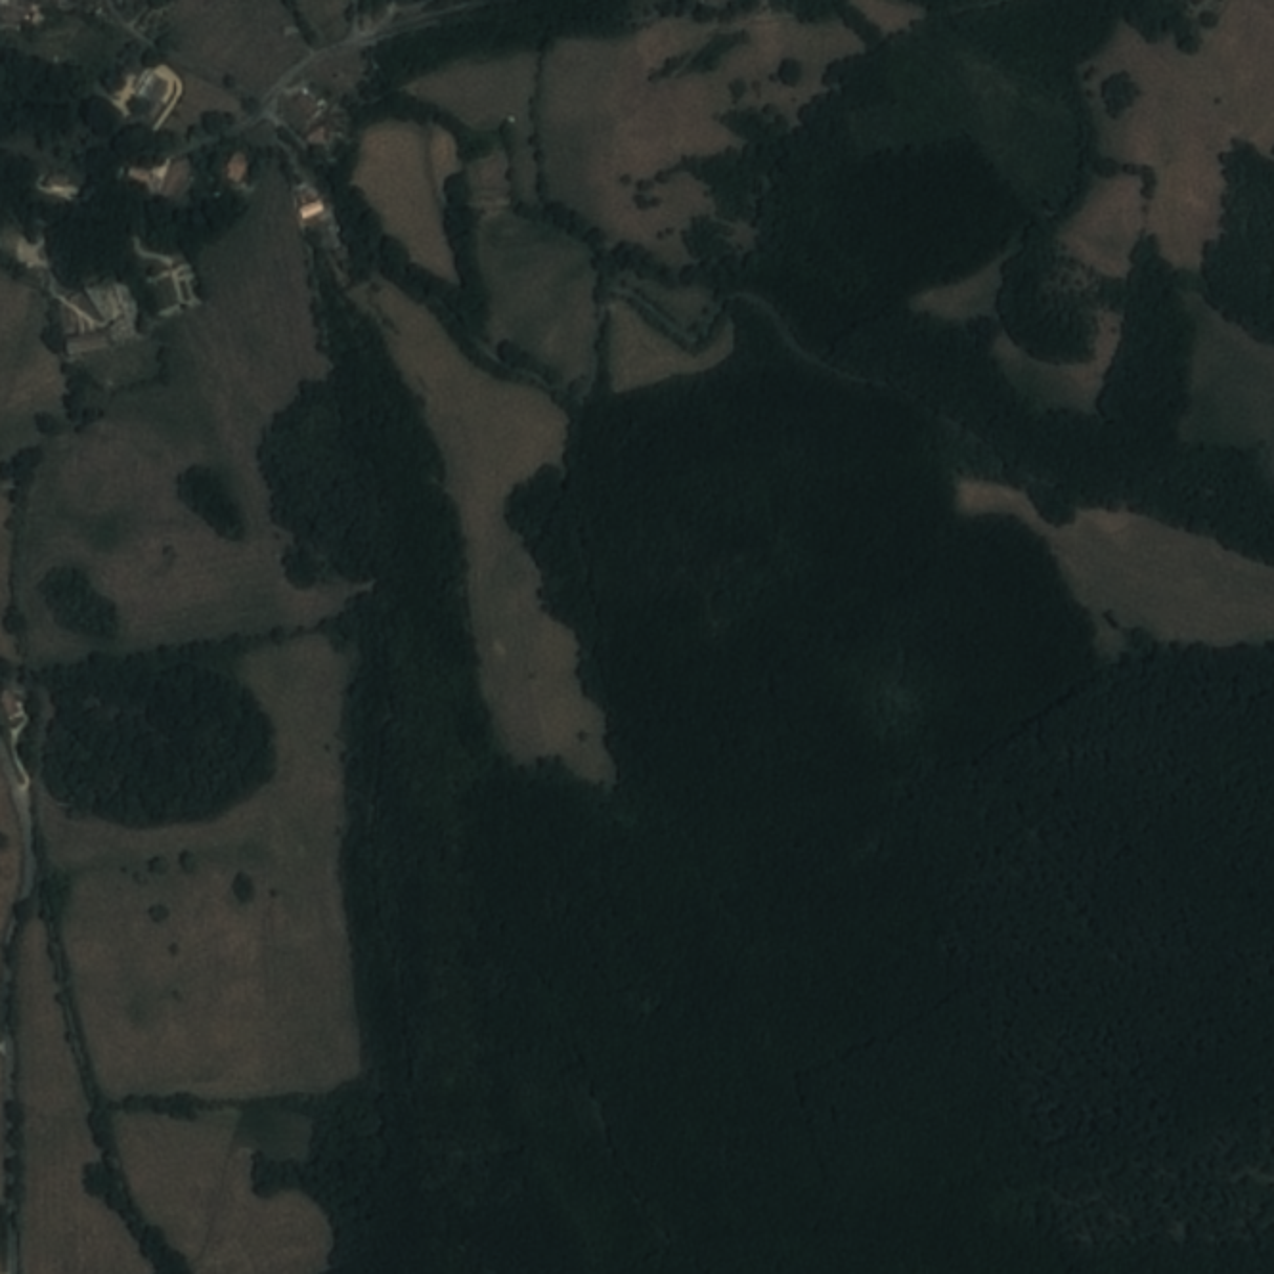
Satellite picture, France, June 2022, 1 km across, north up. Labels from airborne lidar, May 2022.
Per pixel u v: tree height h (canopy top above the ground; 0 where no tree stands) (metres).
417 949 13
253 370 0
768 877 17
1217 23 10
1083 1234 19
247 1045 0
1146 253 12
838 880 17
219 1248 0
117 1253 0
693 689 10
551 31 14
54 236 11
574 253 0
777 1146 16
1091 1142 24
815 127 12
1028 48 11
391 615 11
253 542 0
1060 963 23
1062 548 0
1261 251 8
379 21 0
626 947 11
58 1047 0
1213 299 12
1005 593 13
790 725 10
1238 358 0
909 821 17
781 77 11
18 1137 12
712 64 12
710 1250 12
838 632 9
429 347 0
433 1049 15
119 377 0
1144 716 20
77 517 0
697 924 9
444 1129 12
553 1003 11
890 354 24
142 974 0
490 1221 16
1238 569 0
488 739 16
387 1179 17
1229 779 20
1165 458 17
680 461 6
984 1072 20
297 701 0
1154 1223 21
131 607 0
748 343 10
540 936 11
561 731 0
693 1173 16
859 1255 11
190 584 0
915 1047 21
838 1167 15
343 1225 12
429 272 13
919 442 10
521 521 9
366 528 16
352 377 13
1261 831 21
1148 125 0
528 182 0
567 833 12
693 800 11
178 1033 0
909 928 18
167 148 11
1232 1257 18
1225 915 24
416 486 15
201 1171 0
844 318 8
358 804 6
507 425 0
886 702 9
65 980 7
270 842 0
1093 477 19
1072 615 12
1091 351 8
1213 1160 17
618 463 12
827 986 17
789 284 8
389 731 11
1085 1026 24
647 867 11
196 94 0
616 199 0
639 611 6
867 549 7
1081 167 14
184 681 15
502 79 0
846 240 7
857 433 10
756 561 7
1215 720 21
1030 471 9
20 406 0
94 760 15
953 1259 14
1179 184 0
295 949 0
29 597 0
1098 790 21
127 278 14
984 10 9
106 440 0
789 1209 13
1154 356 19
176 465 0
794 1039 14
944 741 11
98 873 0
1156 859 22
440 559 15
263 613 0
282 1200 0
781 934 16
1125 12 10
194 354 0
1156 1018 20
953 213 9
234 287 0
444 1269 15
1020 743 22
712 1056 14
